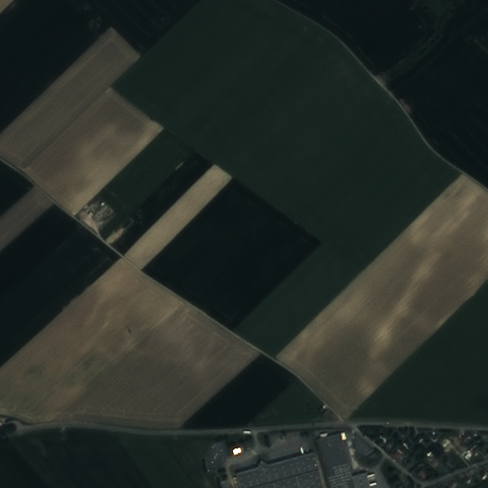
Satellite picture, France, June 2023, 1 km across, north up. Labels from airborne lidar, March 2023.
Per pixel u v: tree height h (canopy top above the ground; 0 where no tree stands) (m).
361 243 0
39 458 0
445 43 0
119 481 0
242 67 0
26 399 0
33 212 0
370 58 0
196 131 0
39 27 0
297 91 0
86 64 0
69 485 0
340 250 0
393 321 0
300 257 0
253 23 0
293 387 0
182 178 0
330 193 0
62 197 0
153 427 0
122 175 0
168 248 0
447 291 0
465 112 0
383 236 0
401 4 0
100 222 0
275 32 0
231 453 0
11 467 0
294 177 0
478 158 0
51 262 0
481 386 0
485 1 0
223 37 0
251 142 0
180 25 0
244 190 0
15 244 0
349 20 0
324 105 0
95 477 0
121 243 0
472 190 0
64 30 0
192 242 0
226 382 0
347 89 0
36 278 0
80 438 0
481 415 0
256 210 0
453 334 0
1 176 0
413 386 0
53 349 0
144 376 0
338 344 0
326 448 0
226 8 0
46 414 0
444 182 0
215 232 0
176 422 0
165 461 0
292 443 0
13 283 0
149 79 0
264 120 0
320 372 0
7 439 22
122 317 0
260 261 0
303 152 0
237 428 0
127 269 0
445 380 0
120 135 0
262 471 0
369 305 0
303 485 0
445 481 0
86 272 0
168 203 0
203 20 0
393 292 0
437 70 0
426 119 0
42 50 0
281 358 0
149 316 0
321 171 0
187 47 0
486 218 0
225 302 0
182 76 0
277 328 0
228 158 0
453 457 0
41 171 0
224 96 0
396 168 0
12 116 0
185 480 0
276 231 0
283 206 0
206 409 0
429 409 0
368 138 0
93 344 0
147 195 0
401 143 0
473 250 0
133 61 0
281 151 0
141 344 0
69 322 0
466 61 0
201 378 0
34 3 0
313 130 0
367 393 0
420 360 0
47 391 0
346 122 0
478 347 0
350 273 0
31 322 0
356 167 0
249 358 0
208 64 0
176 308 0
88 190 0
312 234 0
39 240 0
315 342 0
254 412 0
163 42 0
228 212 0
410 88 0
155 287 0
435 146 0
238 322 0
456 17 0
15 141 0
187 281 0
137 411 0
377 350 0
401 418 0
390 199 0
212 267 0
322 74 0
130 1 0
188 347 0
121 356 0
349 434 0
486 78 0
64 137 0
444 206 0
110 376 0
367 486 0
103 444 0
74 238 0
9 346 0
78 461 0
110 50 0
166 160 0
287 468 0
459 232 0
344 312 0
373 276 0
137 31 0
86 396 0
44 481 0
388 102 0
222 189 0
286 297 0
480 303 0
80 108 0
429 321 0
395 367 0
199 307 0
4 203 0
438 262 0
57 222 0
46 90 0
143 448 0
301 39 0
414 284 0
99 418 0
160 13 0
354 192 0
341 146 0
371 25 0
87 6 0
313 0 0
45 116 0
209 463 0
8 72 0
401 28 0
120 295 0
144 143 0
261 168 0
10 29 0
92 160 0
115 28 0
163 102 0
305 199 0
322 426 0
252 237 0
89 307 0
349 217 0
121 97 0
